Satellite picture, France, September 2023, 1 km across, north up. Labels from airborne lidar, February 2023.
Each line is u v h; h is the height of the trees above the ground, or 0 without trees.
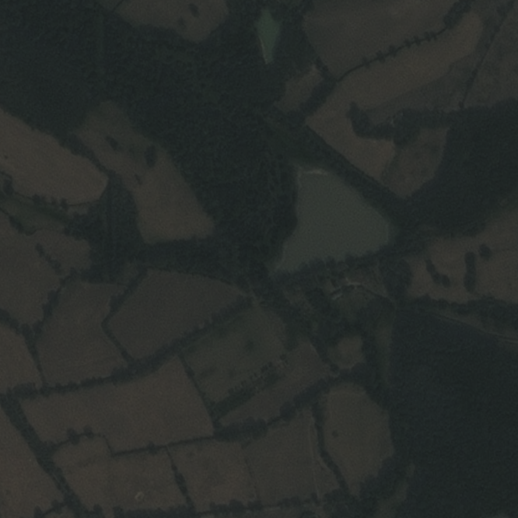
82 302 0
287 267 0
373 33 0
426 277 0
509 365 25
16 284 0
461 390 33
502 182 25
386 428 0
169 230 0
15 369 0
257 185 11
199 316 0
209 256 13
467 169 22
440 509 24
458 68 0
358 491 0
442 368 27
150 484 0
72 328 0
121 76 13
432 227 26
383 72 0
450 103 0
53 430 0
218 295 0
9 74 24
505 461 29
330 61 0
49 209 0
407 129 15
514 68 0
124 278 0
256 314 0
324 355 18
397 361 24
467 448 31
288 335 0
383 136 14
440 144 0
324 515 0
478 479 29
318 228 0
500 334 0
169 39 16
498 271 0
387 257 20
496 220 0
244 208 6
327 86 15
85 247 0
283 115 9
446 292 0
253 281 18
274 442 0
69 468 0
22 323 0
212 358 0
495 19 0
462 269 0
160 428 0
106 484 0
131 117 17
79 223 9
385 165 0
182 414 0
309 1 16
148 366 17
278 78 20
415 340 23
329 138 0
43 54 29
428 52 0
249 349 0
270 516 0
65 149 0
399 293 23
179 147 30
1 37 15
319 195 0
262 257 0
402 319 20
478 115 17
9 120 0
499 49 0
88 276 15
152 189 0
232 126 10
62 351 0
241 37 18
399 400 27
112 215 21
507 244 0
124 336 0
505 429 26
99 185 0
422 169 0
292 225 18
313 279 21
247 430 19
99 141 0
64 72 33
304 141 18
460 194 20
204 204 14
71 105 29
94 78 8
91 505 0
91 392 0
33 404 0
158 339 0
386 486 25
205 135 21
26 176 0
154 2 0
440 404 27
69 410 0
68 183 0
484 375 30
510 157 27
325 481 0
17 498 0
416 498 8
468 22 0
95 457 0
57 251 0
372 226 0
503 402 33
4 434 0
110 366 0
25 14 29
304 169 0
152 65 6
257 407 0
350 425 0
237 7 22
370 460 0
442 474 29
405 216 19
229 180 6
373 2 0
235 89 11
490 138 19
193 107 6
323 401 0
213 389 0
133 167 0
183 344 14
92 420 0
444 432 31
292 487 0
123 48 20
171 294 0
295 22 21
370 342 5
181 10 0
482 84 0
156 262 19
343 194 0
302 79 0
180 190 0
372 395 25
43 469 7
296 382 0
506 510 18
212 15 0
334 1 0
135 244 23
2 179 0
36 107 18
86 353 0
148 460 0
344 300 0
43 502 0
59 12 28
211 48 17
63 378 0
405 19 0
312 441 0
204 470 0
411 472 0
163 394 0
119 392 0
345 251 0
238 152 16
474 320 0
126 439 0
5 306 0
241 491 0
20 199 0
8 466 0
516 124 17
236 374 0
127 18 0
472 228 23
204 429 0
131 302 0
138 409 0
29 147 0
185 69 6
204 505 0
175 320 0
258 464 0
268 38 0
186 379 0
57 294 6
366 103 0
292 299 0
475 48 0
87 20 18
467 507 19
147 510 0
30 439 16
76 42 31
